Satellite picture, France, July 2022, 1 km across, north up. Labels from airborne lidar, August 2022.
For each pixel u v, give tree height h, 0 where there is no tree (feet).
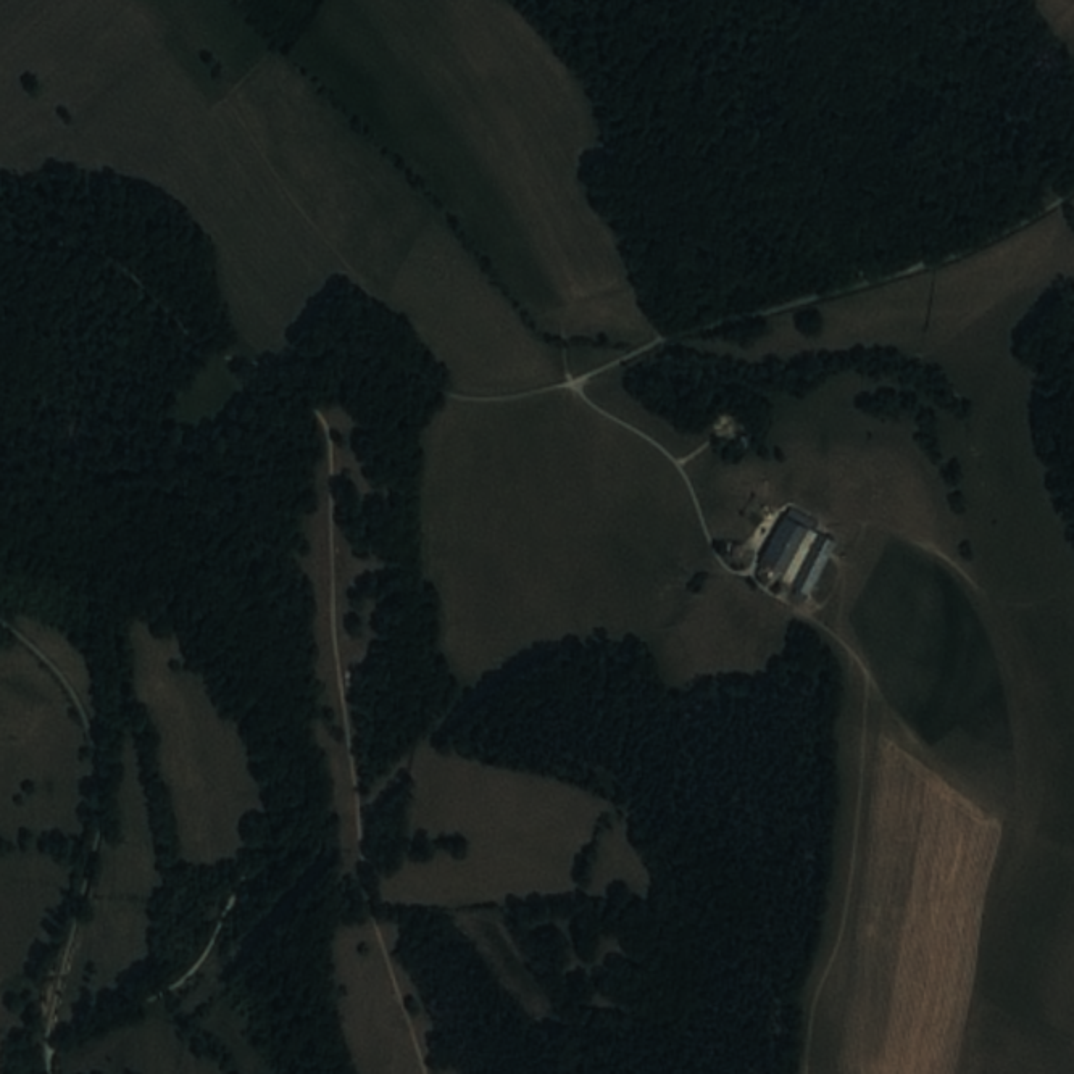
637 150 69
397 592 55
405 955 48
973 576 0
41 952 62
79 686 0
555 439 0
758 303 32
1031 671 0
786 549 0
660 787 78
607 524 0
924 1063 0
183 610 69
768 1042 69
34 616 17
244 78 0
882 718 0
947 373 38
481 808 0
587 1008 33
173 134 0
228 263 0
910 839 0
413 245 0
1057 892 0
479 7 0
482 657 0
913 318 0
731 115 70
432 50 0
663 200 65
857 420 0
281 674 59
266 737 76
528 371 0
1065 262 0
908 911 0
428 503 0
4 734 0
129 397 60
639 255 73
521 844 0
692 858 80
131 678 45
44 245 57
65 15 0
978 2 52
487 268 32
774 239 54
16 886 0
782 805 77
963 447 0
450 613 0
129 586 82
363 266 0
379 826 66
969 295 0
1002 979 0
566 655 62
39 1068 29
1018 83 57
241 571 68
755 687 78
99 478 83
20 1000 45
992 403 0
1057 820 0
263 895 79
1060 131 71
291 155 0
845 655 0
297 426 61
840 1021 0
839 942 0
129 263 56
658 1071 54
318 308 67
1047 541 0
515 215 0
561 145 0
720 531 0
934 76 59
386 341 74
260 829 37
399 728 63
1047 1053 0
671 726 84
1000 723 0
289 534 62
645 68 77
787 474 0
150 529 86
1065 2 0
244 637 73
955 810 0
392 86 0
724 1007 59
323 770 47
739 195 70
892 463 0
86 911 66
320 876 73
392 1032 0
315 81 22
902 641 0
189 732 0
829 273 41
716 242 59
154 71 0
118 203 67
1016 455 0
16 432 66
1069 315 78
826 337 0
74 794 0
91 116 0
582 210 0
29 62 0
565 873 0
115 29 0
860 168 68
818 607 0
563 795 0
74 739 0
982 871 0
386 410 77
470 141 0
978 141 59
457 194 0
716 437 37
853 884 0
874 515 0
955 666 0
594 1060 46
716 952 71
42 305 68
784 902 61
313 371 71
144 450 71
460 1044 60
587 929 65
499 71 0
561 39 55
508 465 0
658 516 0
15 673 0
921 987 0
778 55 64
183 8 0
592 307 0
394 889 0
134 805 0
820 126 57
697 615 0
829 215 62
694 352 29
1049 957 0
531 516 0
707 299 64
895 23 60
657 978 54
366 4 0
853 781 0
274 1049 22
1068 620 0
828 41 59
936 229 64
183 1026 60
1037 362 31
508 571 0
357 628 50
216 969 0
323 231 0
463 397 0
